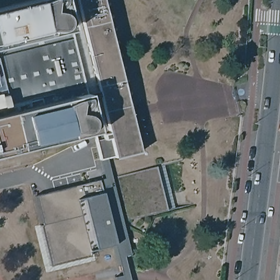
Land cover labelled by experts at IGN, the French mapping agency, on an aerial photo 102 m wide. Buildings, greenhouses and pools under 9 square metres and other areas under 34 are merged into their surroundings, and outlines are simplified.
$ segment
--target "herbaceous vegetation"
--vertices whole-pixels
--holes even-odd
[[[36,166],[51,159],[60,153],[60,150],[66,150],[75,143],[70,141],[0,159],[0,174],[32,168],[32,165]]]
[[[196,61],[203,80],[233,86],[234,80],[219,72],[223,58],[229,54],[229,50],[222,48],[222,40],[224,35],[241,30],[237,22],[244,16],[244,8],[250,0],[215,0],[217,8],[197,14],[190,26],[190,43],[198,44],[212,43],[220,51],[208,61]]]
[[[46,271],[35,230],[37,225],[40,225],[33,201],[34,195],[32,185],[28,184],[12,185],[0,192],[0,280],[115,280],[115,276],[122,268],[116,260],[115,250],[98,250],[100,256],[95,257],[94,261],[86,264]],[[2,264],[8,250],[11,253],[25,254],[30,258],[16,270],[8,271]]]
[[[182,47],[179,37],[184,35],[185,25],[197,0],[108,0],[145,148],[145,152],[128,156],[119,155],[114,160],[118,177],[127,217],[131,223],[130,229],[132,233],[138,232],[142,235],[154,233],[161,236],[163,241],[170,242],[168,253],[173,258],[170,265],[161,270],[167,273],[167,280],[225,280],[223,264],[227,238],[224,237],[223,244],[205,252],[196,248],[192,238],[199,223],[202,227],[208,226],[211,233],[225,236],[225,233],[226,229],[233,230],[235,227],[235,222],[227,219],[226,214],[236,185],[234,165],[240,160],[240,153],[236,152],[240,118],[231,115],[212,118],[206,121],[205,128],[202,129],[209,133],[208,140],[203,144],[207,162],[207,206],[201,203],[201,160],[200,152],[197,151],[189,159],[185,159],[177,152],[178,143],[187,136],[189,131],[196,129],[196,122],[179,121],[165,124],[160,113],[150,115],[148,102],[157,103],[155,86],[163,73],[187,75],[189,67],[182,65],[182,61],[187,61],[186,57],[191,54],[191,46]],[[140,61],[132,61],[127,55],[130,40],[136,40],[143,46],[145,55]],[[156,46],[164,49],[170,60],[154,70],[149,70],[148,65],[152,62],[152,52],[149,50],[155,49]]]

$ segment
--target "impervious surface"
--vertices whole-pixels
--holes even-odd
[[[94,261],[95,257],[51,267],[40,225],[37,225],[35,230],[46,271],[86,264]]]
[[[179,121],[196,122],[196,129],[189,131],[187,136],[195,144],[197,151],[200,152],[201,160],[201,203],[207,206],[207,162],[203,144],[208,140],[209,133],[202,129],[205,128],[206,121],[212,118],[231,115],[240,118],[236,152],[240,153],[240,160],[234,165],[236,185],[226,214],[227,219],[235,222],[235,227],[233,230],[226,229],[225,233],[230,233],[227,238],[223,264],[225,280],[275,280],[277,261],[280,255],[280,0],[255,0],[254,24],[248,34],[248,43],[234,51],[236,61],[249,68],[248,81],[243,85],[233,86],[203,80],[196,61],[191,54],[186,57],[187,61],[182,61],[182,65],[189,67],[187,75],[163,73],[155,86],[157,103],[148,102],[150,115],[160,113],[165,124]]]
[[[44,196],[100,180],[105,180],[109,188],[118,177],[114,160],[100,160],[94,140],[87,139],[85,142],[75,143],[66,150],[60,150],[60,153],[51,159],[36,166],[32,165],[32,168],[0,174],[0,192],[12,185],[28,184],[32,185],[34,195]]]
[[[132,280],[167,280],[167,273],[161,270],[136,272],[133,258],[128,257]]]
[[[179,37],[182,47],[191,46],[191,54],[194,54],[198,44],[190,43],[190,26],[197,14],[217,8],[215,0],[197,0],[185,25],[184,35]]]

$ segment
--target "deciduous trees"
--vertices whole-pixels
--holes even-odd
[[[152,62],[148,65],[149,70],[154,70],[170,60],[164,49],[156,46],[155,49],[149,50],[152,52]]]
[[[192,238],[196,248],[205,252],[223,244],[224,237],[227,238],[230,233],[225,233],[225,236],[211,233],[208,226],[202,227],[199,223]]]
[[[143,46],[136,40],[130,40],[127,55],[132,61],[140,61],[145,55]]]
[[[224,35],[222,40],[222,48],[229,50],[229,54],[223,58],[219,72],[234,80],[233,86],[243,85],[248,81],[249,68],[236,61],[234,51],[248,43],[248,34],[254,24],[255,0],[250,0],[244,8],[244,16],[237,22],[241,30]]]
[[[197,151],[195,144],[187,136],[178,143],[177,152],[185,159],[189,159]]]
[[[191,54],[196,61],[208,61],[220,51],[212,43],[198,44],[194,54]]]
[[[161,270],[170,265],[173,258],[168,253],[170,242],[163,241],[161,236],[154,233],[142,235],[141,240],[136,243],[133,258],[136,272]]]
[[[8,250],[2,264],[8,271],[16,270],[30,258],[25,254],[11,253]]]

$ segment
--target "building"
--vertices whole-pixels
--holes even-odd
[[[33,201],[40,225],[51,267],[95,257],[100,256],[98,250],[115,250],[116,260],[122,268],[115,276],[115,280],[132,280],[128,257],[133,258],[136,243],[141,240],[142,235],[138,232],[132,233],[130,229],[131,223],[127,217],[118,177],[109,188],[105,180],[100,180],[44,196],[34,195]]]
[[[94,140],[100,160],[114,160],[119,155],[128,156],[145,152],[145,148],[108,0],[0,0],[0,159],[70,141],[75,143],[85,142],[87,139]]]
[[[275,280],[280,280],[280,255],[277,261]]]

